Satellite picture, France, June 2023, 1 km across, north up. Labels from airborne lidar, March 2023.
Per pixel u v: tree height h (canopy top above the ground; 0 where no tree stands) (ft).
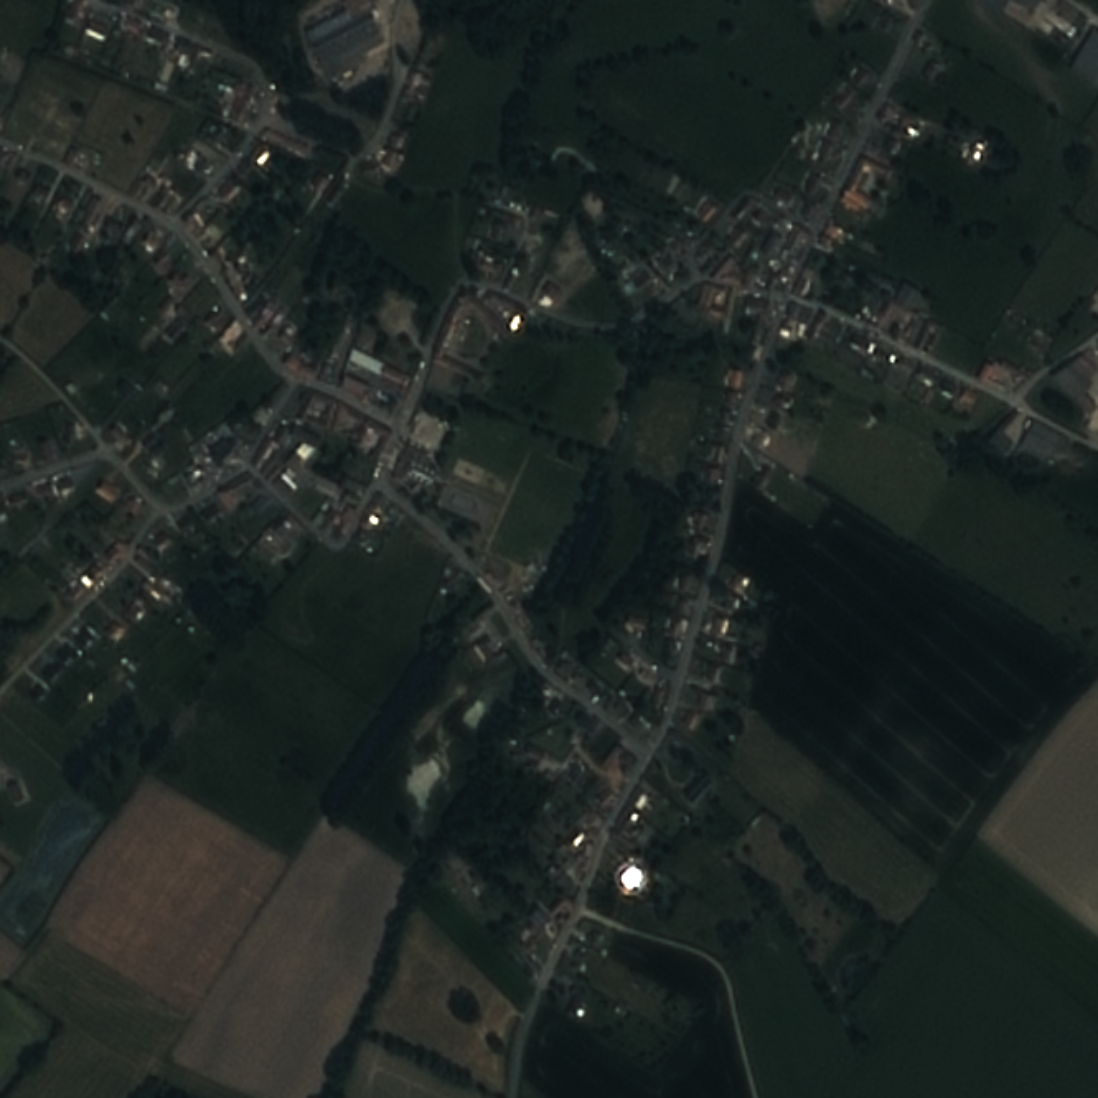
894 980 0
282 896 0
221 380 0
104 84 0
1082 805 0
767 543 0
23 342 0
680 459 0
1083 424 0
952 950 0
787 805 0
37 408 0
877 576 0
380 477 0
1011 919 0
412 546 0
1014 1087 0
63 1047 0
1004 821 0
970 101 0
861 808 0
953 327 0
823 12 0
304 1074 0
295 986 0
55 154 0
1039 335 0
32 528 0
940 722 0
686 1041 0
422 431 0
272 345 0
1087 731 0
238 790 0
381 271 42
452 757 0
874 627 0
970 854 0
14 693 0
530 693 38
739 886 0
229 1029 0
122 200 0
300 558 0
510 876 0
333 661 0
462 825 87
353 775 72
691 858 0
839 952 0
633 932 0
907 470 0
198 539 0
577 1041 0
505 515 0
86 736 0
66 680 0
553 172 78
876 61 0
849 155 0
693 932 0
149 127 0
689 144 0
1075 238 0
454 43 0
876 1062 0
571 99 0
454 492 0
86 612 0
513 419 18
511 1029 0
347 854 0
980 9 0
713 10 0
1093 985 0
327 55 0
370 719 0
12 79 0
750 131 0
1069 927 0
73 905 0
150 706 0
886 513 0
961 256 0
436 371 0
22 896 0
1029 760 0
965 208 0
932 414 0
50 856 0
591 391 0
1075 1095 0
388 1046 43
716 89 0
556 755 0
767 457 0
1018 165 33
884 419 36
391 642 0
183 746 0
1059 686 0
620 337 39
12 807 0
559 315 0
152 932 0
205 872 0
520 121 58
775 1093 0
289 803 0
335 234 89
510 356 0
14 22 0
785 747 0
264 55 50
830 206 0
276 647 0
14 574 0
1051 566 0
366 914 0
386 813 0
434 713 0
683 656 0
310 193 0
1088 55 0
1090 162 33
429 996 0
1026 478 56
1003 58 0
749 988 0
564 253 0
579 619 0
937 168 0
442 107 0
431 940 0
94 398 0
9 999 0
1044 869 0
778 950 0
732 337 0
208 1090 0
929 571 0
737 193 0
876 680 0
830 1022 0
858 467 0
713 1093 0
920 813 0
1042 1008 0
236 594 48
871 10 0
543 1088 0
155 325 0
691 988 0
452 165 0
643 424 0
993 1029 0
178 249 0
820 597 0
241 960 0
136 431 0
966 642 0
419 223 0
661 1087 0
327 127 68
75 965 0
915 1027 0
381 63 0
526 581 0
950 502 0
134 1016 0
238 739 0
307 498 0
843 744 0
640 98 0
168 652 0
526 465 0
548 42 70
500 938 26
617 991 0
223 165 0
